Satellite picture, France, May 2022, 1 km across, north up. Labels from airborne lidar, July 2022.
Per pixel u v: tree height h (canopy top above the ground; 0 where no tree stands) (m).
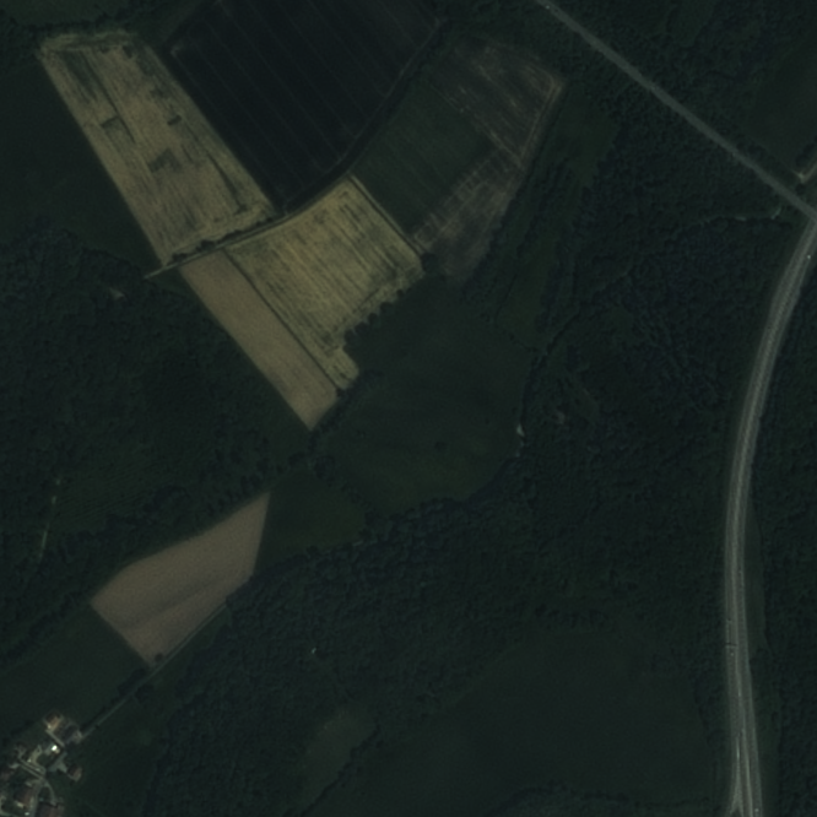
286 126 0
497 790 0
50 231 28
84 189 0
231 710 21
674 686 0
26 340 29
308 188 0
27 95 0
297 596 21
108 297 9
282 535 0
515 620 18
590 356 12
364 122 0
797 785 13
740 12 25
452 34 16
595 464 20
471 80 0
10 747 9
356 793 7
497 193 0
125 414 24
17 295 29
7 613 28
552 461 11
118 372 26
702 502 17
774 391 12
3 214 0
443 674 25
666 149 23
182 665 0
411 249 0
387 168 0
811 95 0
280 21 0
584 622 14
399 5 0
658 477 24
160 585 0
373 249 0
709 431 18
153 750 0
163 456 6
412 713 19
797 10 24
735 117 17
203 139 0
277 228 0
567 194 15
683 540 23
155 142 0
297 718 19
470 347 0
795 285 0
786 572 23
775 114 0
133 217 0
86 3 0
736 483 0
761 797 0
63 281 28
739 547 0
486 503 16
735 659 0
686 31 16
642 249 23
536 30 17
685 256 20
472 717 0
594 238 25
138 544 21
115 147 0
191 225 0
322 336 0
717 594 10
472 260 0
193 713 18
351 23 0
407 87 6
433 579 21
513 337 8
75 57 0
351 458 0
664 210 23
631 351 24
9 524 28
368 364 0
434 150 0
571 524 13
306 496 0
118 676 0
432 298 0
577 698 0
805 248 0
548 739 0
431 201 0
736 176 18
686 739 0
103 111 0
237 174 0
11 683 0
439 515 23
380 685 24
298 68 0
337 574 24
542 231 16
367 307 0
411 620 26
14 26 23
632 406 12
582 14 13
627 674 0
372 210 0
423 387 0
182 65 0
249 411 25
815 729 19
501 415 0
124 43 0
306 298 0
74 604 19
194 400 13
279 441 0
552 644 0
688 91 16
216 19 0
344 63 0
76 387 27
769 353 0
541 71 0
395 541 18
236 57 0
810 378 20
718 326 27
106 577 15
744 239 21
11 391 30
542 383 20
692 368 20
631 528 20
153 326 23
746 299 19
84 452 25
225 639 16
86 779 0
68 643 0
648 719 0
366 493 0
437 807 0
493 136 0
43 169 0
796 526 23
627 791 0
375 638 21
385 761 0
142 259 0
